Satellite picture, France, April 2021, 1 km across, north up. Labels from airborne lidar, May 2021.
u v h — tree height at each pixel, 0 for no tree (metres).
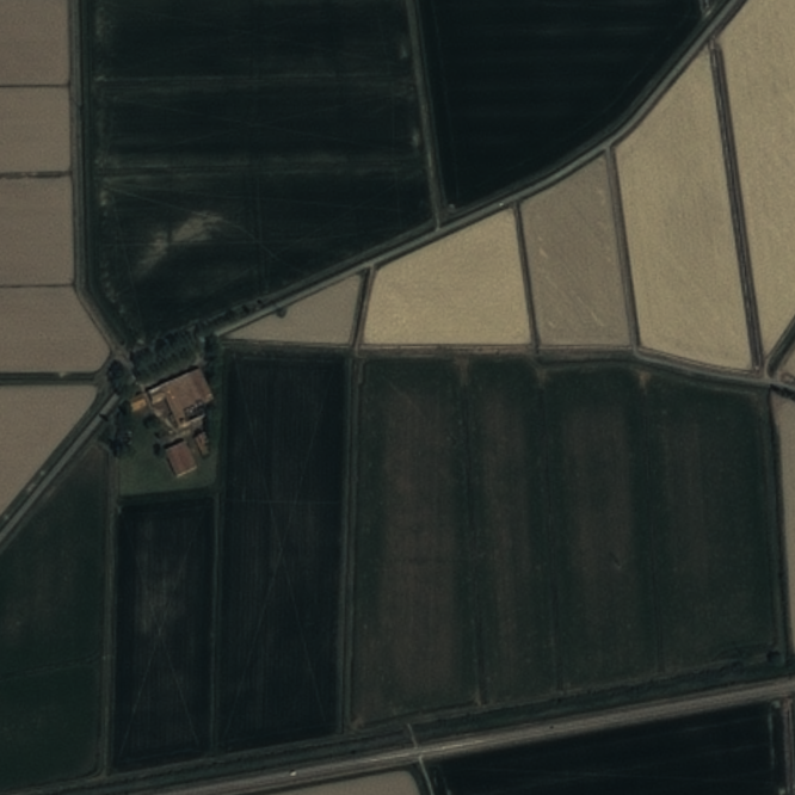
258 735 0
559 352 0
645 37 0
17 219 0
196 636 0
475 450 0
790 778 0
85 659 0
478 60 0
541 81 0
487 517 0
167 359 20
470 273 0
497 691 0
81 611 0
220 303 0
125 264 0
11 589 0
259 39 0
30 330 0
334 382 0
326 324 0
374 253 0
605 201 0
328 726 0
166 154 0
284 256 0
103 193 0
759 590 0
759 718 0
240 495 0
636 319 0
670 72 0
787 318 0
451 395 0
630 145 0
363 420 0
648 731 0
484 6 0
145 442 0
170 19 0
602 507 0
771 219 0
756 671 0
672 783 0
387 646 0
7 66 0
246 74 0
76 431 0
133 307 0
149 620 0
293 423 0
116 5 0
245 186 0
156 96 0
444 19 0
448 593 0
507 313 0
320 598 0
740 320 0
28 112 0
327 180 0
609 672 0
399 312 0
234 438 0
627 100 0
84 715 0
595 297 0
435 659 0
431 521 0
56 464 0
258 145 0
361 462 0
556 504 0
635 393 0
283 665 0
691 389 0
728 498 0
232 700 0
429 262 0
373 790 0
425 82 0
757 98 0
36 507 0
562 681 0
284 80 0
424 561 0
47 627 0
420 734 0
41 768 0
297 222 0
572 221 0
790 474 0
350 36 0
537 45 0
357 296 0
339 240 0
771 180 0
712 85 0
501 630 0
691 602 0
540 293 0
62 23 0
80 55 0
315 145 0
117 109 0
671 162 0
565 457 0
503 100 0
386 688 0
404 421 0
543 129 0
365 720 0
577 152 0
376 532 0
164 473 0
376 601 0
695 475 0
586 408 0
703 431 0
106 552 0
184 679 0
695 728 0
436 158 0
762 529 0
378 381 0
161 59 0
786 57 0
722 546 0
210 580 0
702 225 0
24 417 0
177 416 0
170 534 0
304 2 0
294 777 0
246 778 0
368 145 0
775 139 0
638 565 0
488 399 0
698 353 0
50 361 0
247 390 0
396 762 0
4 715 0
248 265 0
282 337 0
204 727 0
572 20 0
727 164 0
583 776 0
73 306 0
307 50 0
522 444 0
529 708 0
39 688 0
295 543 0
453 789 0
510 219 0
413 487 0
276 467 0
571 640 0
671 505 0
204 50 0
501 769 0
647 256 0
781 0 0
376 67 0
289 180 0
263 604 0
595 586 0
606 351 0
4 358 0
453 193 0
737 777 0
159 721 0
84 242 0
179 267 0
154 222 0
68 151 0
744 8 0
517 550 0
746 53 0
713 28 0
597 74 0
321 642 0
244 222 0
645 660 0
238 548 0
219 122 0
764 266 0
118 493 0
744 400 0
